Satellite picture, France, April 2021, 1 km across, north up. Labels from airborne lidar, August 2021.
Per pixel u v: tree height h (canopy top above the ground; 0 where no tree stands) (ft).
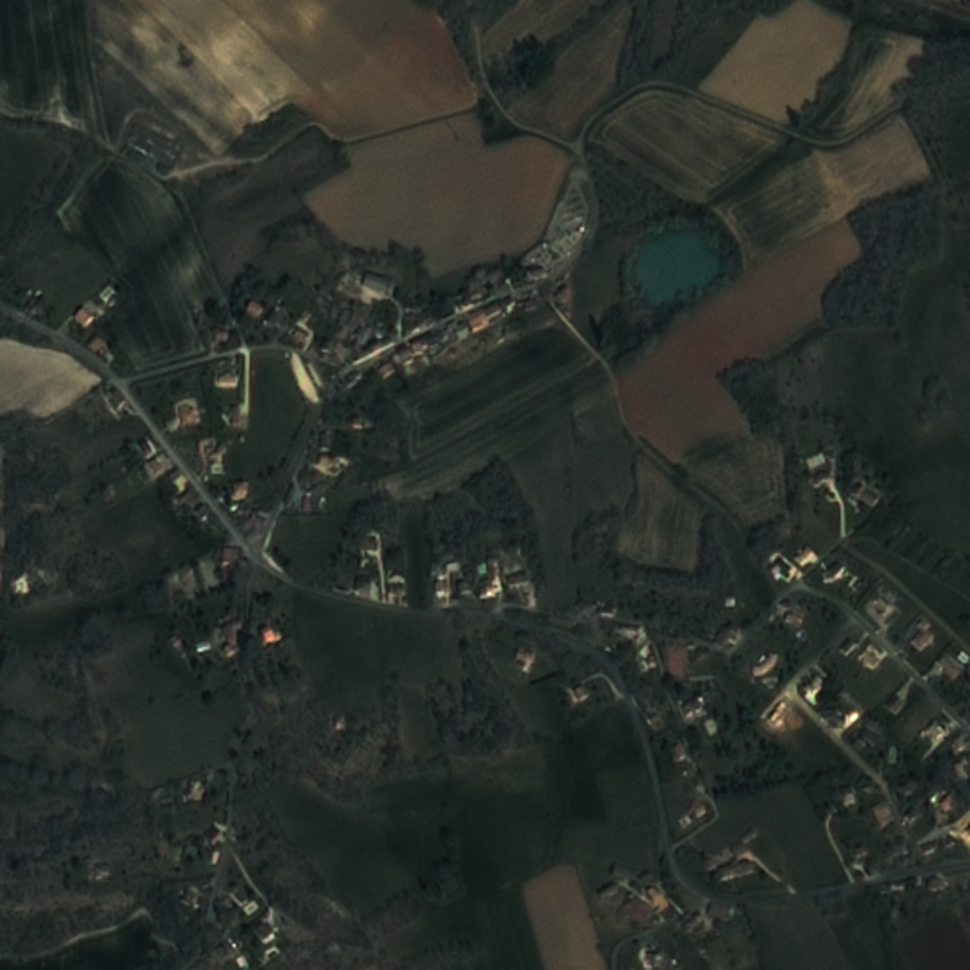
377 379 52
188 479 0
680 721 37
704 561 51
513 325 21
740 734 35
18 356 0
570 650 38
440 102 0
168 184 20
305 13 0
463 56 32
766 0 76
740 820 0
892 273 55
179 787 32
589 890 0
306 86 0
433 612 0
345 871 0
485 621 0
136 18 0
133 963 0
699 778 36
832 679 26
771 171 0
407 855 0
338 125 0
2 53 0
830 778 27
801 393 0
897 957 0
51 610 0
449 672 0
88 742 35
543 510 0
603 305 0
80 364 0
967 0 43
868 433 0
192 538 19
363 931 31
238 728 0
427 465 0
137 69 0
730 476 0
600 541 26
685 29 40
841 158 0
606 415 0
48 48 0
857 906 0
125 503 0
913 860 48
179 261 0
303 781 52
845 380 0
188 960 31
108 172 0
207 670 24
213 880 28
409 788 0
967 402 0
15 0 0
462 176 0
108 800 37
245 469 0
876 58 0
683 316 42
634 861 0
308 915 33
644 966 0
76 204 0
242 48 0
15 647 41
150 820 54
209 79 0
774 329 0
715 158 0
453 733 42
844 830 0
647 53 33
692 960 0
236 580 64
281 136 0
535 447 0
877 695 0
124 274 0
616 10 0
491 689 47
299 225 29
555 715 0
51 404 0
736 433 0
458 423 0
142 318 0
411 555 0
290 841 44
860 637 0
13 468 41
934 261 68
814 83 0
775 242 0
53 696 0
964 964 0
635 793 0
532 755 0
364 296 0
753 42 0
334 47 0
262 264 0
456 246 0
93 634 56
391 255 23
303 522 0
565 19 0
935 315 0
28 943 48
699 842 0
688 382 0
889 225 62
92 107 0
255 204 0
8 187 0
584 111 0
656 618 28
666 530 0
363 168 0
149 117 0
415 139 0
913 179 0
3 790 0
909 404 0
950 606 0
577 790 0
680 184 0
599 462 0
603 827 0
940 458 0
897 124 0
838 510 0
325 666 0
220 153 0
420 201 0
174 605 51
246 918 26
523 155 0
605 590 0
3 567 36
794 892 0
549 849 0
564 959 0
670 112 0
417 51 0
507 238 0
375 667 0
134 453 30
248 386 0
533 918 0
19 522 34
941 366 0
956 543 0
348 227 0
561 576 0
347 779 29
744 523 0
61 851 32
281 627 30
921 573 0
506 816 0
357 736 32
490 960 0
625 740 0
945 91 72
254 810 37
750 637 43
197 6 0
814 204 0
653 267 0
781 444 23
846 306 50
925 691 0
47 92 0
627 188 18
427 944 0
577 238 0
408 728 0
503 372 0
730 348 0
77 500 0
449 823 0
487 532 42
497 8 51
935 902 55
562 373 0
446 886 58
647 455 0
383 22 0
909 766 22
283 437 0
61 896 25
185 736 0
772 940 0
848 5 30
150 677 0
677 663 0
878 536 22
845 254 0
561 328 0
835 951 0
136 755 0
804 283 0
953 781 58
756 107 0
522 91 79
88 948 0
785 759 39
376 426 30
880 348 0
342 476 24
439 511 42
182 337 0
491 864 0
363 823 0
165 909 29
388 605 0
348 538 40
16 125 28
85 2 0
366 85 0
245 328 40
